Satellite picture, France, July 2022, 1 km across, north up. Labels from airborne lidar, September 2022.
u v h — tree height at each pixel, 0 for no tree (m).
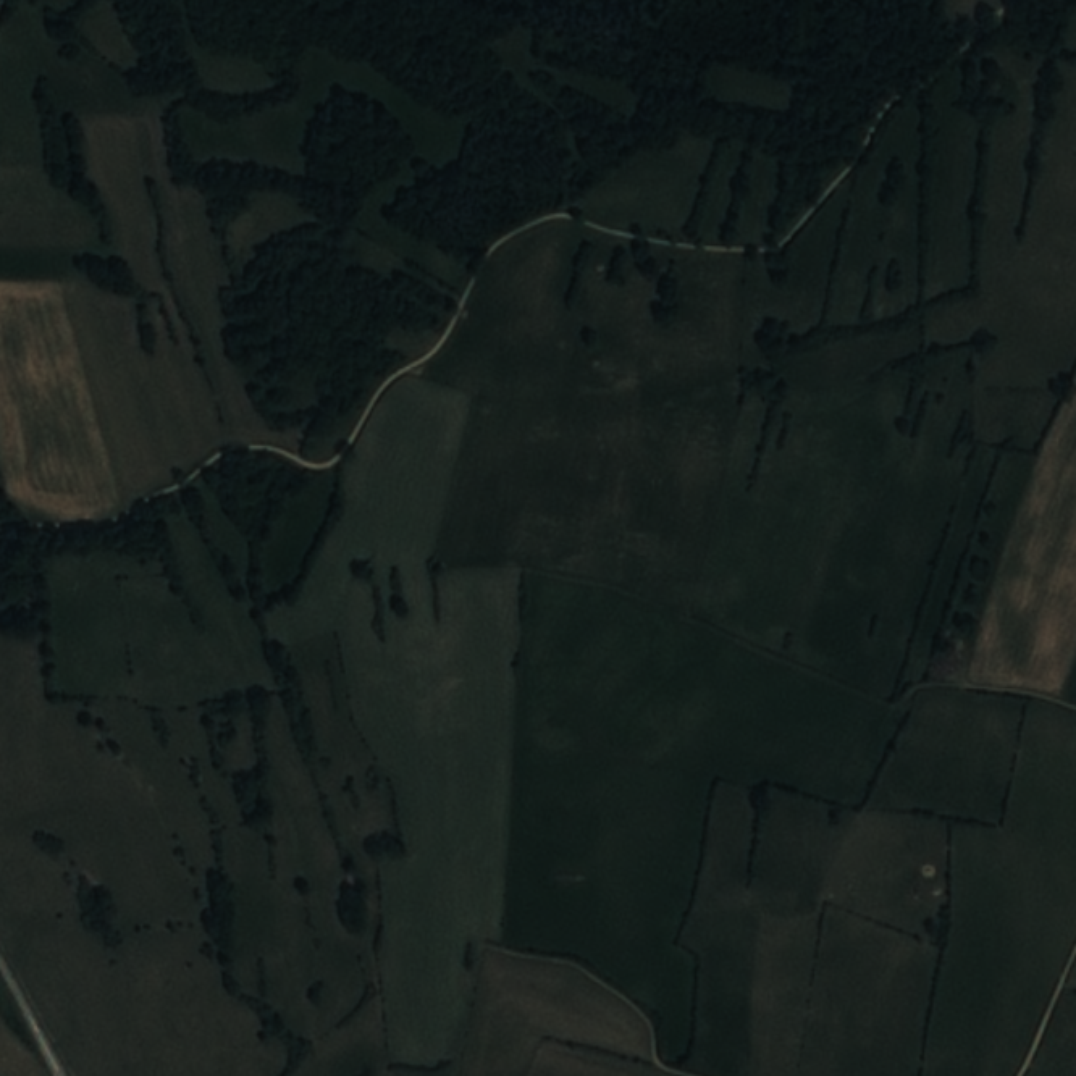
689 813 0
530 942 0
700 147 0
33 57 0
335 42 17
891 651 0
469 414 0
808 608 0
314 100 0
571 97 13
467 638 0
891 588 0
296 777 0
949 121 0
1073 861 0
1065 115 0
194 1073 0
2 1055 0
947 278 0
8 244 0
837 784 0
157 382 0
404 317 13
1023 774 0
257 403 12
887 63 20
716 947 0
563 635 0
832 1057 0
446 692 0
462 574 0
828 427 0
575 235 0
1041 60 0
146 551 12
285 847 0
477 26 21
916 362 8
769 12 10
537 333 0
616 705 0
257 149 0
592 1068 0
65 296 0
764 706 0
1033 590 0
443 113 11
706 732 0
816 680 0
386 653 0
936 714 0
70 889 0
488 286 0
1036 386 0
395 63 19
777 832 0
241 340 13
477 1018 0
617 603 0
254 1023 0
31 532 21
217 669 0
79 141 15
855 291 0
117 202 0
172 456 0
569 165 16
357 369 12
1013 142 0
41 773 0
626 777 0
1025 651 0
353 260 8
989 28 15
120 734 0
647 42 9
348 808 0
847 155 12
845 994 0
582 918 0
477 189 19
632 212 0
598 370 0
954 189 0
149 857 0
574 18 21
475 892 0
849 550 0
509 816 0
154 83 15
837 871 0
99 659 0
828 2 17
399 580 7
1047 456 0
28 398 0
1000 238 0
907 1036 0
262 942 0
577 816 0
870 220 0
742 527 0
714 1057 0
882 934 0
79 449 0
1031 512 0
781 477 0
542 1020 0
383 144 20
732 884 0
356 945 0
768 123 16
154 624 0
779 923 0
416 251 0
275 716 0
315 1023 0
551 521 0
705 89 12
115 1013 0
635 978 0
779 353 7
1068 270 0
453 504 0
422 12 20
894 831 0
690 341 0
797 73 17
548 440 0
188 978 0
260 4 19
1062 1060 0
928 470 0
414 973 0
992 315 0
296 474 8
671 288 15
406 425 0
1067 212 0
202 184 13
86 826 0
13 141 0
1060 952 0
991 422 0
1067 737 0
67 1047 0
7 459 0
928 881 0
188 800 0
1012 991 0
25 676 0
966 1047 0
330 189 23
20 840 0
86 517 0
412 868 0
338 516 9
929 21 22
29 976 0
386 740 0
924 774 0
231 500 18
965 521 0
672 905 0
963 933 0
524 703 0
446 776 0
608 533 0
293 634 0
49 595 7
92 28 0
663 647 0
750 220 0
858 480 0
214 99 14
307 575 7
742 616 0
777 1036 0
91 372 0
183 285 0
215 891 17
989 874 0
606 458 0
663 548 0
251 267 11
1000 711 0
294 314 16
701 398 0
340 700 0
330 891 0
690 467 0
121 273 15
